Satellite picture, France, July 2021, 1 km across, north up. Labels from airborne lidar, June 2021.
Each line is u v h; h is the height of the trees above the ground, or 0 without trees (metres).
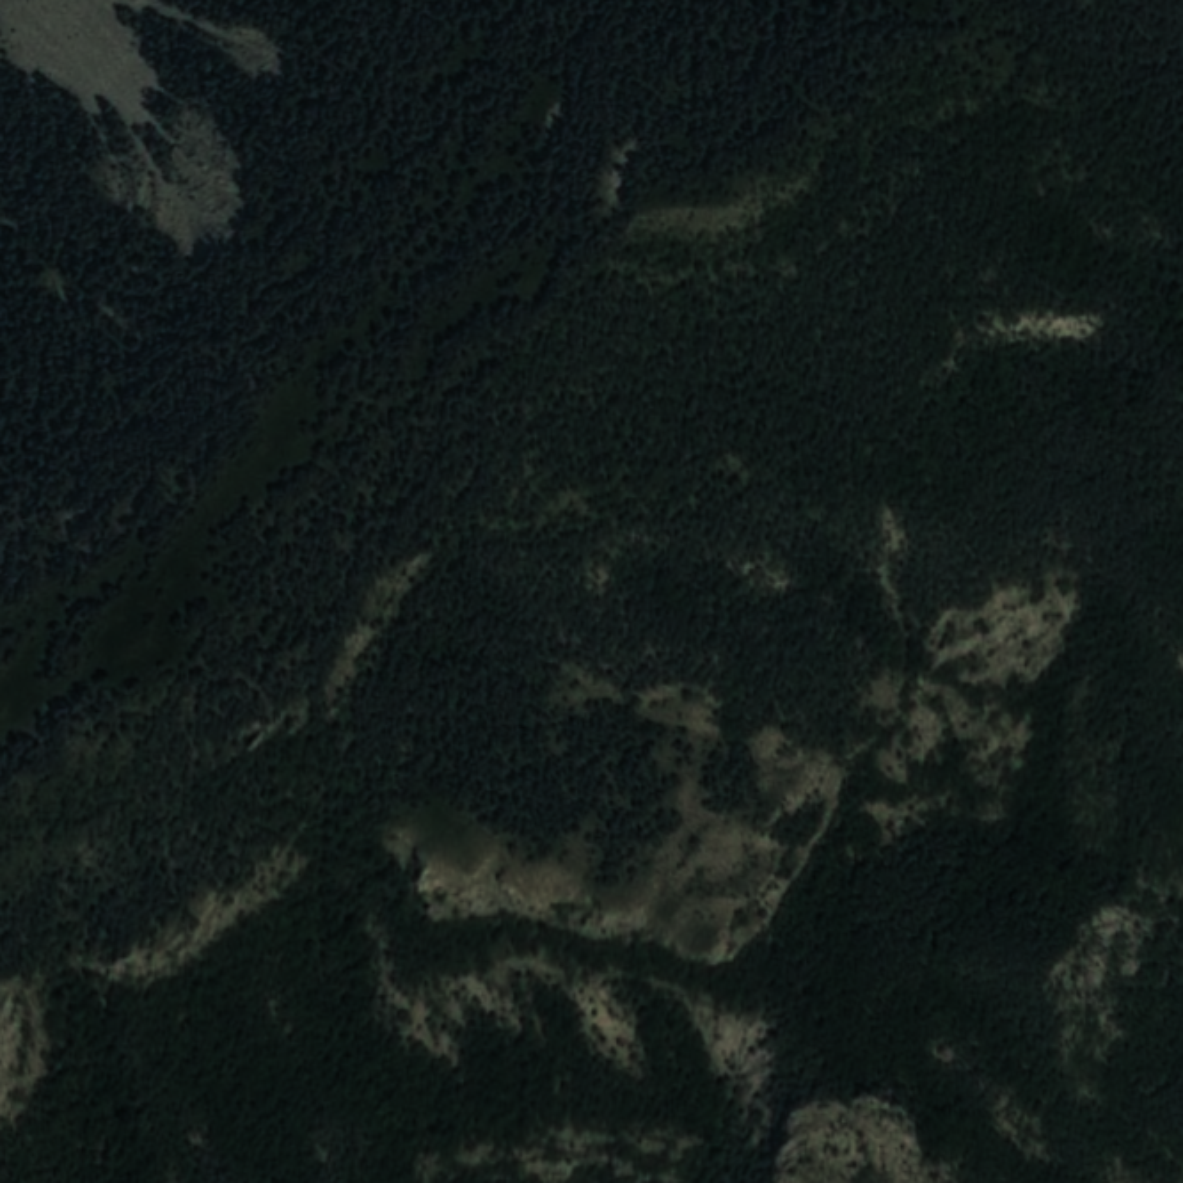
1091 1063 8
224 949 10
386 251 17
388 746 17
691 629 14
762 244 6
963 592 7
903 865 14
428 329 14
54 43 0
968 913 19
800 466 11
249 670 15
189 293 17
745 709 9
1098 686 8
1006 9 8
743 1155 6
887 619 13
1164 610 12
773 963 15
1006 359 14
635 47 14
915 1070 11
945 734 8
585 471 11
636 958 14
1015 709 8
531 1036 11
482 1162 9
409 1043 6
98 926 10
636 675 12
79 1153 10
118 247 20
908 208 13
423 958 8
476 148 17
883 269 15
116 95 0
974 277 11
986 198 17
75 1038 8
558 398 8
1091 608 14
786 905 11
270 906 10
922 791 9
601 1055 7
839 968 14
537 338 10
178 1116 13
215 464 14
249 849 10
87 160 11
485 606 8
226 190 0
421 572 7
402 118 11
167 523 14
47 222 20
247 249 17
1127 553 14
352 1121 10
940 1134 11
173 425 18
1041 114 7
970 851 16
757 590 8
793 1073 7
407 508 18
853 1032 11
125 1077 11
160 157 9
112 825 7
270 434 0
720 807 7
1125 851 9
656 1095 8
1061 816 17
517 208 14
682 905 0
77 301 13
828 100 10
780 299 8
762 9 15
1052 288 9
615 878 9
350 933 13
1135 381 11
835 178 11
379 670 7
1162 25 17
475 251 18
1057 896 17
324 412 8
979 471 13
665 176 9
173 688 11
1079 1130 10
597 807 12
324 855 6
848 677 9
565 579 10
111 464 12
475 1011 9
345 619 17
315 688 14
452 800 7
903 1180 0
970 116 9
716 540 8
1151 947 7
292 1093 20
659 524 9
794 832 9
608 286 17
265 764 11
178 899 9
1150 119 11
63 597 11
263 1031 9
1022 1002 10
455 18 19
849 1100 8
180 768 8
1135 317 13
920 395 13
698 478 8
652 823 9
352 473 15
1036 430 16
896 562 7
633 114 19
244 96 15
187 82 14
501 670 9
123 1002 11
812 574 13
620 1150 7
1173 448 15
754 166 9
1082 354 12
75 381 16
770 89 15
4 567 9
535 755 9
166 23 12
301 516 11
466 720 18
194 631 10
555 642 10
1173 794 8
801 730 8
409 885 8
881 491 11
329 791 9
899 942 19
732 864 0
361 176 14
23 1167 10
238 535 16
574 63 19
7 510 9
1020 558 8
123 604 0
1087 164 7
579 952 9
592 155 10
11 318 14
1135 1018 8
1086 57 8
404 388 11
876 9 15
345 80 13
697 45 16
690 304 15
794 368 15
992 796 9
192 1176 12
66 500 9
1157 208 8
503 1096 14
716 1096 14
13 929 13
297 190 17
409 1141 15
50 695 0
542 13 17
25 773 7
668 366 13
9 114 14
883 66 8
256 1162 19
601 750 10
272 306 14
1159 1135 8
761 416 8
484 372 12
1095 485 17
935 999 15
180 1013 14
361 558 17
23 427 11
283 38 10
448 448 17
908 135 11
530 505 7
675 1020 12
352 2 13
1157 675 12
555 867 0
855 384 10
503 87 12
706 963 9
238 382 16
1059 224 13
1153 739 12
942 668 7
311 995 18
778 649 7
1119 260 21
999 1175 6
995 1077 10
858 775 9
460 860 0
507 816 12
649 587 15
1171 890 14
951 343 10
